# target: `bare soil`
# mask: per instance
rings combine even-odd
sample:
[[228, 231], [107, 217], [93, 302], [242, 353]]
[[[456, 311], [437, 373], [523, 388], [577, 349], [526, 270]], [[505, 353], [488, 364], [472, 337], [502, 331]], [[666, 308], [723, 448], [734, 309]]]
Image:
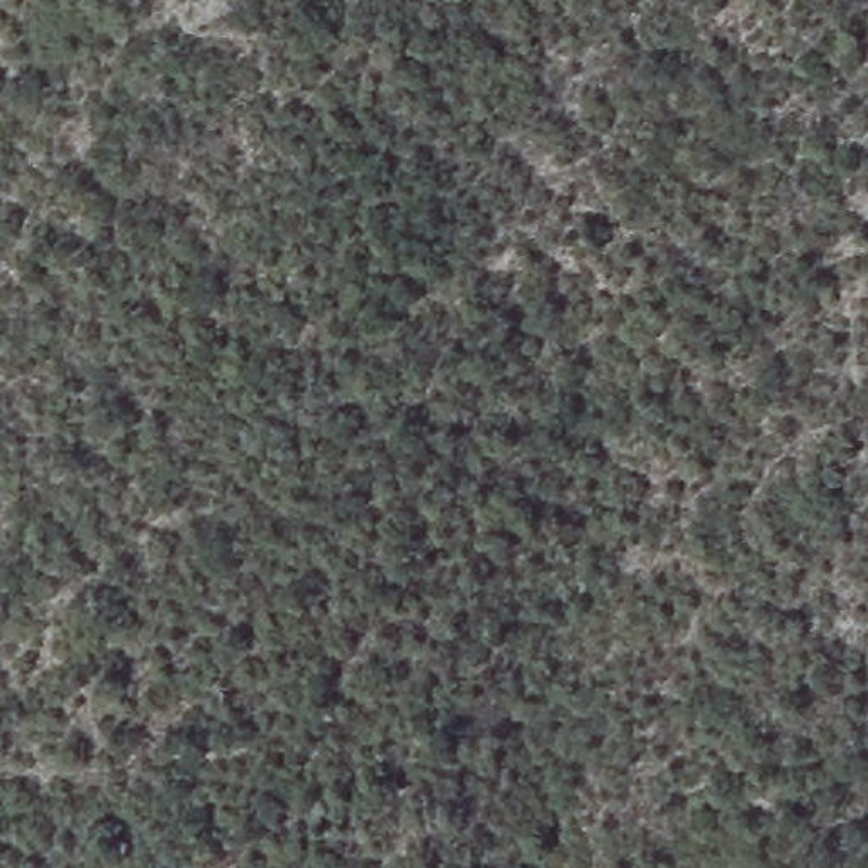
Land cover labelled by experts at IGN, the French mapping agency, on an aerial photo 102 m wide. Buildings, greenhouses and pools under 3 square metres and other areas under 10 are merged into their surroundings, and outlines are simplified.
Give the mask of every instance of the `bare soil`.
[[227, 17], [227, 0], [163, 0], [163, 7], [136, 20], [142, 34], [156, 27], [180, 27], [183, 34], [200, 41], [231, 41], [241, 54], [258, 47], [258, 71], [271, 64], [264, 34], [237, 31]]

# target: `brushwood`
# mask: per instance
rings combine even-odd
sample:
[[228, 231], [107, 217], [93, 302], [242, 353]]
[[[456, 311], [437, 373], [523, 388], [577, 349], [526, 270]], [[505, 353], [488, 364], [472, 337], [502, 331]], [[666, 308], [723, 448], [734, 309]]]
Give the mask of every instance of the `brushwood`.
[[258, 71], [258, 47], [241, 54], [231, 41], [200, 41], [183, 34], [180, 27], [156, 27], [142, 34], [136, 20], [163, 7], [163, 0], [0, 0], [0, 868], [868, 868], [868, 0], [227, 0], [227, 17], [237, 31], [264, 34], [271, 64]]

